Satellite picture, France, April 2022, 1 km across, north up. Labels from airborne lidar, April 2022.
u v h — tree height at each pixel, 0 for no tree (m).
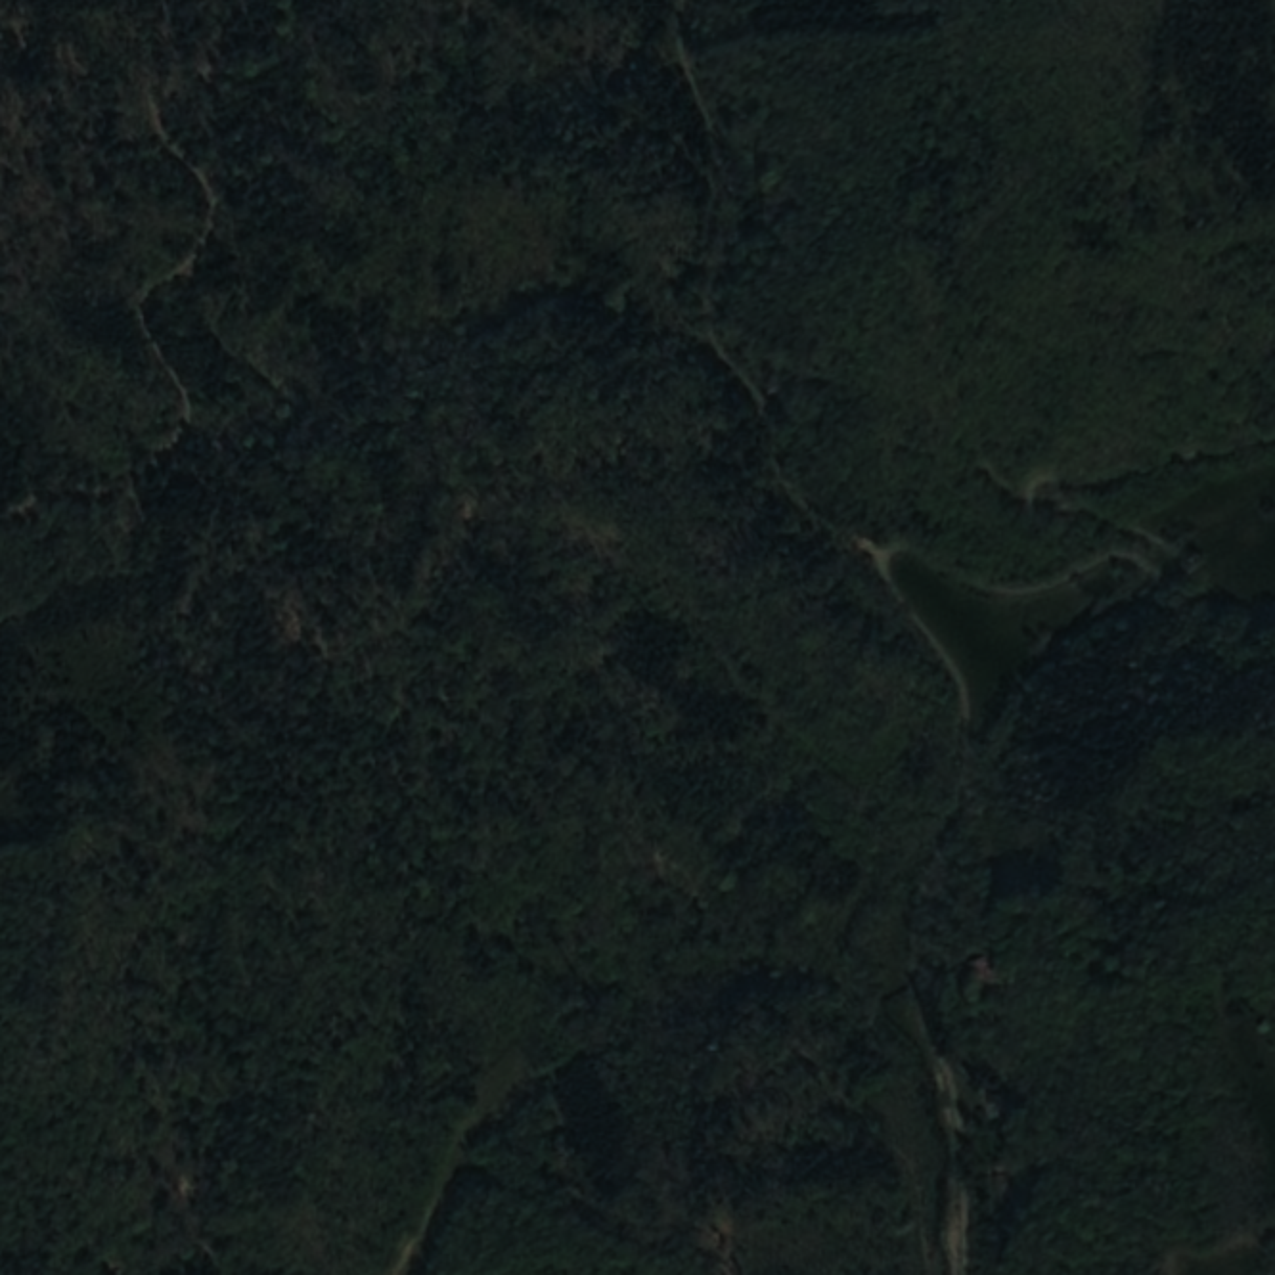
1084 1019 26
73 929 15
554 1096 21
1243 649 23
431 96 26
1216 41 25
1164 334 16
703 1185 28
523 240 15
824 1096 29
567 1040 18
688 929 30
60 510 26
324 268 14
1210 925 29
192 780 10
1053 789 19
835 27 13
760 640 25
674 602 23
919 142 21
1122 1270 16
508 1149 25
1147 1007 26
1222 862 20
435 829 27
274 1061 24
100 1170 22
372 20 25
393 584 12
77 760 12
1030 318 25
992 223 17
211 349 18
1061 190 21
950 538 24
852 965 22
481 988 29
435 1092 28
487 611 24
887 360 23
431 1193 18
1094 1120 32
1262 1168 15
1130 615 23
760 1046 29
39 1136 22
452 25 28
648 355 29
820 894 27
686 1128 24
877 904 20
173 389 11
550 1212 30
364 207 16
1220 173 19
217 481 27
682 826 30
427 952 21
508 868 26
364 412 31
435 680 26
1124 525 13
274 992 18
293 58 35
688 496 29
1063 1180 32
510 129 14
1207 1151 24
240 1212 23
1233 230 22
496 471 33
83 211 11
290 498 25
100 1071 22
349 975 22
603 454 32
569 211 10
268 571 20
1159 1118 25
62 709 8
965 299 22
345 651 21
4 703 7
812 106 14
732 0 15
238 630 26
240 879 22
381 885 22
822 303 14
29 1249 24
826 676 30
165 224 12
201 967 22
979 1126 13
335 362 35
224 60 29
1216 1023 18
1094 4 19
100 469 13
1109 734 17
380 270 18
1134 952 29
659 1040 20
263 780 19
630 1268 18
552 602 22
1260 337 23
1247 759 28
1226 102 21
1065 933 28
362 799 21
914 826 26
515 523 34
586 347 31
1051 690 22
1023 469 21
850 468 15
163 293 14
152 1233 18
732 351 7
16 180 15
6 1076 12
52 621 18
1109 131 21
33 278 11
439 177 20
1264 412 15
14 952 15
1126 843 19
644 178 24
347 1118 20
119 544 26
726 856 30
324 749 15
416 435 28
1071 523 15
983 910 24
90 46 22
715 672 17
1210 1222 22
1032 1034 28
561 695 17
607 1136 22
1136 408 27
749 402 40
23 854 19
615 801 27
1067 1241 31
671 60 9
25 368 15
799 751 20
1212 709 21
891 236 20
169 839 16
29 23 16
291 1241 12
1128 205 19
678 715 17
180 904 15
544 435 28
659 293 21
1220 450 15
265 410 26
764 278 25
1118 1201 31
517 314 33
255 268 15
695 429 22
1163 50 24
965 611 0
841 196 25
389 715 25
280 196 24
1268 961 25
